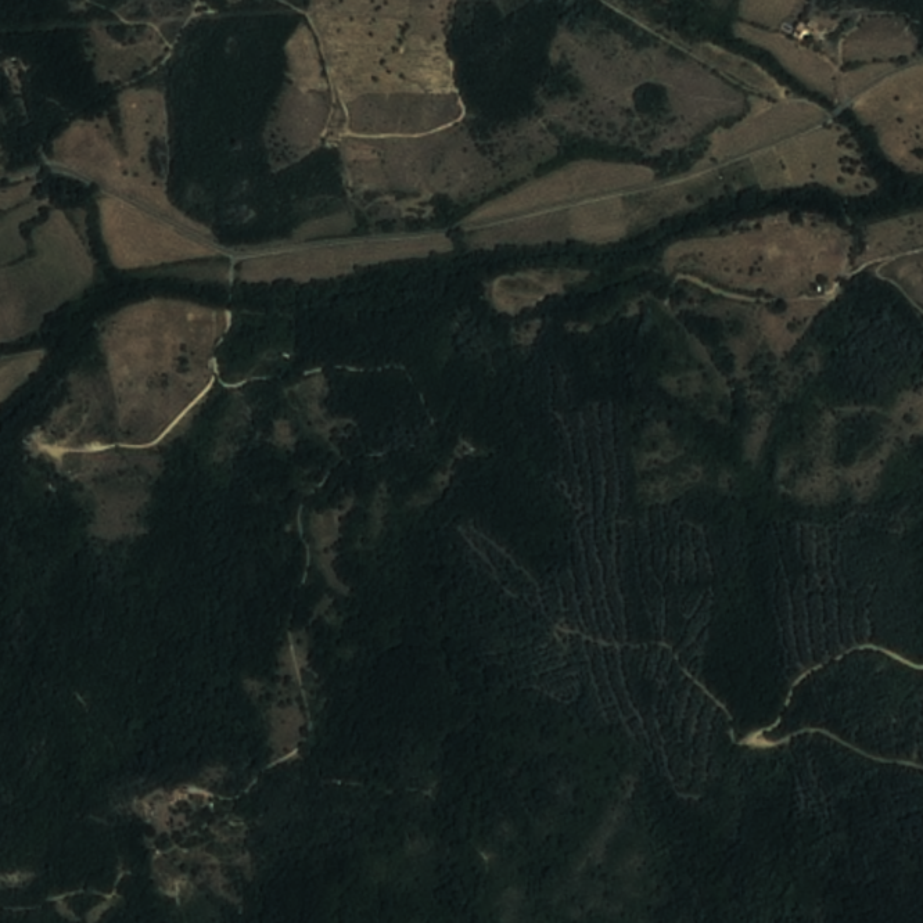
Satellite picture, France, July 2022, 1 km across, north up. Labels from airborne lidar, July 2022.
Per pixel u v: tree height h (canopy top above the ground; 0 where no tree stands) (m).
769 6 0
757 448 0
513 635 11
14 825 8
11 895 9
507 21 7
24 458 6
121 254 0
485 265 11
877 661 10
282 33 7
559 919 6
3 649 16
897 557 13
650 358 10
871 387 12
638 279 9
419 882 7
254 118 8
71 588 10
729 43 11
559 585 16
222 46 5
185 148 7
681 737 15
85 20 9
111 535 0
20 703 11
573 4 15
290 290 15
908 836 14
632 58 0
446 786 11
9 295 0
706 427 9
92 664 9
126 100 0
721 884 10
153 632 8
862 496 0
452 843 8
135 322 0
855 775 7
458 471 9
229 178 8
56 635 6
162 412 0
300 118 0
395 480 12
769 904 9
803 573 10
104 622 12
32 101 11
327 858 10
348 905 9
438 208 6
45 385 7
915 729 10
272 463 10
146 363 0
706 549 8
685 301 6
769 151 0
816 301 0
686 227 12
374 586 10
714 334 13
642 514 11
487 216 0
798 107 0
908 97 0
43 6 13
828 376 9
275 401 10
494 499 11
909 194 12
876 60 8
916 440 9
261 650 9
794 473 8
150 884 9
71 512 10
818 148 0
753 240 0
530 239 0
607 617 15
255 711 12
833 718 8
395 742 8
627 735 11
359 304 13
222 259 0
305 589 9
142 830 10
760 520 12
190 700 17
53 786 12
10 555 13
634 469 7
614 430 10
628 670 15
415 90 0
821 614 15
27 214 0
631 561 13
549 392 12
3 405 8
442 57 0
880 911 8
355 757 14
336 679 9
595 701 14
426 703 13
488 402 8
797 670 14
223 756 14
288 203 7
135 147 0
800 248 0
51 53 17
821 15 6
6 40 11
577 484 13
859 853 11
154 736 14
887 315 21
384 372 8
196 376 0
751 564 13
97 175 0
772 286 0
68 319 13
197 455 8
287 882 11
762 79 0
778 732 8
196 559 12
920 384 8
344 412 10
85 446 0
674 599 10
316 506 7
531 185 0
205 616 11
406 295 19
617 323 8
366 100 0
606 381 12
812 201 14
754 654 14
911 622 14
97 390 0
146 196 0
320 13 0
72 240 0
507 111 7
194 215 7
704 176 0
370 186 0
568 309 10
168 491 7
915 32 7
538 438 11
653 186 0
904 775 10
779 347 0
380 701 18
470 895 12
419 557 16
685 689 15
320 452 10
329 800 6
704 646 12
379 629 14
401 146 0
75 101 13
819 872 10
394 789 9
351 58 0
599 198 0
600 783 6
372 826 7
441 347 7
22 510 8
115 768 14
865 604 16
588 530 14
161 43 0
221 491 8
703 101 0
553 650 11
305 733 13
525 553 10
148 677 10
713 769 14
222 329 0
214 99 5
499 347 16
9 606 12
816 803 13
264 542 8
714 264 0
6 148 7
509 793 11
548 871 12
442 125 0
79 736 14
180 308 0
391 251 0
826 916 6
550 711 9
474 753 14
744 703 15
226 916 7
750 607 13
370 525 6
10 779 8
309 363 16
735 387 11
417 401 11
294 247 0
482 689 12
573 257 13
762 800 7
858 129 7
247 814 6
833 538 10
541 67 11
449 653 16
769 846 10
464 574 11
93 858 6
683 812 12
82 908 8
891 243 0
